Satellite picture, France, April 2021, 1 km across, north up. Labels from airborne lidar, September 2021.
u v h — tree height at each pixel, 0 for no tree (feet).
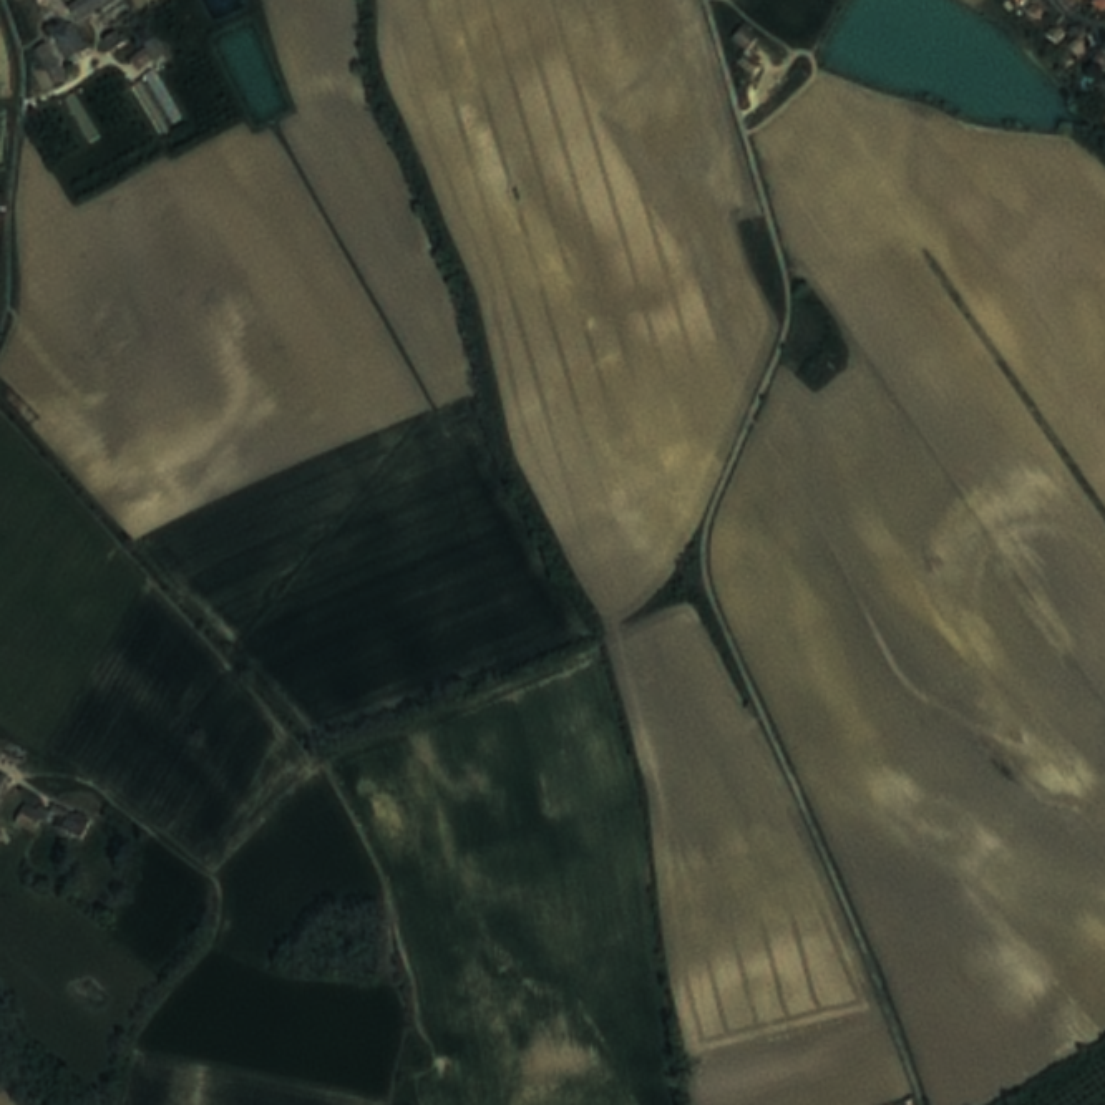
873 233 0
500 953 0
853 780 0
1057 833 0
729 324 0
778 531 0
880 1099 0
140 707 0
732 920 0
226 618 0
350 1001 0
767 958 0
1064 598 0
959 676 0
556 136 0
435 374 0
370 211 0
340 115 0
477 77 0
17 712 0
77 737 0
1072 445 0
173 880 0
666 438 0
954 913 0
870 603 0
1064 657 0
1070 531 0
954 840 0
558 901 0
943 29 0
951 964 0
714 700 0
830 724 0
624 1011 0
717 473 0
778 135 0
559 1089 0
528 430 0
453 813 0
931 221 0
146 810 0
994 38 0
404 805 0
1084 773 0
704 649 0
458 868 0
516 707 0
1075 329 0
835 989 0
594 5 0
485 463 0
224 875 0
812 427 0
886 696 0
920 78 0
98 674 0
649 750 0
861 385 0
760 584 0
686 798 0
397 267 0
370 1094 0
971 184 0
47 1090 42
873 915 0
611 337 0
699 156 0
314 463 0
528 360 0
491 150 0
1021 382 0
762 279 0
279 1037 0
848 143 0
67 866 74
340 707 0
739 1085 0
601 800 0
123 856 87
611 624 0
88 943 0
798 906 0
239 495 0
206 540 0
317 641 0
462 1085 0
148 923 0
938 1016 0
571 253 0
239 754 0
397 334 0
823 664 0
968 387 0
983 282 0
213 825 0
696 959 0
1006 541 0
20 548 0
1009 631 0
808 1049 0
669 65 0
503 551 0
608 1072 0
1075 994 0
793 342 0
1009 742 0
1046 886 0
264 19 0
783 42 0
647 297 0
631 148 0
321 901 0
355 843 0
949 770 0
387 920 47
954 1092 0
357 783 0
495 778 0
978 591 0
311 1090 0
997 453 0
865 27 0
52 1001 0
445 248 39
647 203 0
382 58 0
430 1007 0
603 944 0
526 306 0
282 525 0
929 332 0
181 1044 0
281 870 0
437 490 0
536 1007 0
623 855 0
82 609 0
